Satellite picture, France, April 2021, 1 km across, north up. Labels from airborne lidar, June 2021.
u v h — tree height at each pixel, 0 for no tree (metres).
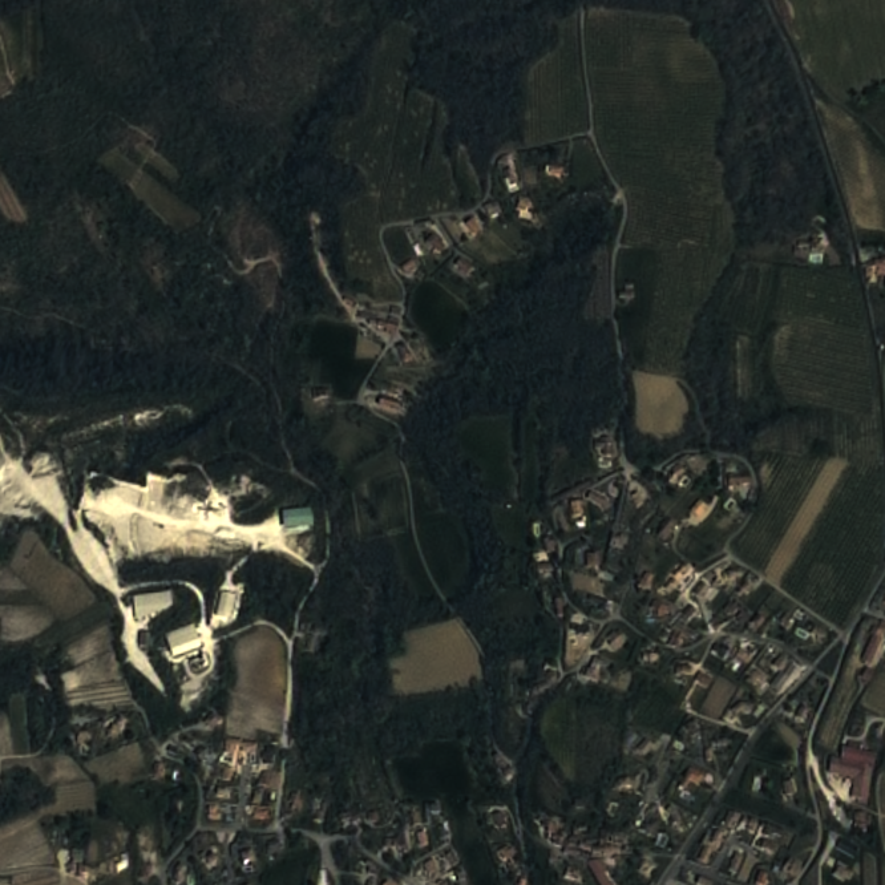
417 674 0
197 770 14
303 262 17
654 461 14
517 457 12
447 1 18
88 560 0
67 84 10
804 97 17
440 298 0
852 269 7
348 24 10
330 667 13
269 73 9
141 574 7
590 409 20
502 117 15
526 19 14
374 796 0
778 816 0
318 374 0
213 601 14
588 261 13
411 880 0
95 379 7
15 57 0
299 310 16
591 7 16
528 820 7
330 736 16
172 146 10
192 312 22
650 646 8
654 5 19
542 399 18
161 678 6
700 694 0
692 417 13
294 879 0
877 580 0
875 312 0
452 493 17
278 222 23
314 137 10
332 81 26
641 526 19
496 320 16
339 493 6
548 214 11
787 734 0
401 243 0
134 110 7
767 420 17
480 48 18
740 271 11
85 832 10
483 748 13
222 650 8
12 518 0
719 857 0
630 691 6
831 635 6
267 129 14
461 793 0
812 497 0
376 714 32
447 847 0
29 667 14
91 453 7
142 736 5
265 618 9
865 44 0
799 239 14
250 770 0
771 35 15
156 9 9
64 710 8
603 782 11
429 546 0
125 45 9
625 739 7
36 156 12
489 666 19
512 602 0
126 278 16
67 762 0
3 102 9
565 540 8
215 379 13
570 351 15
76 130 7
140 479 13
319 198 18
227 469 11
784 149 15
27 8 17
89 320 15
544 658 5
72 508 6
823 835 0
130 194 14
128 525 0
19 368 24
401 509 0
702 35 16
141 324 28
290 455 13
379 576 26
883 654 0
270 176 8
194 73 13
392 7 17
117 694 0
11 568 0
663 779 0
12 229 11
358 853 18
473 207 8
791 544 0
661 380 0
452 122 16
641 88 0
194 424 6
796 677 0
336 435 0
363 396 0
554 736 0
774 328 8
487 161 13
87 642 0
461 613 16
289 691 0
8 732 0
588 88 0
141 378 16
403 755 11
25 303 15
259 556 13
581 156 0
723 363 16
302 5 7
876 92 10
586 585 0
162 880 0
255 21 7
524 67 15
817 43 0
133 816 0
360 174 16
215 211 14
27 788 15
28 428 9
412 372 0
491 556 23
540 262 7
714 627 0
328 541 11
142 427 15
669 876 0
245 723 0
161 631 17
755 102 13
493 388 15
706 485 6
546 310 13
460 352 15
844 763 0
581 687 7
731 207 15
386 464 0
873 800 0
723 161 17
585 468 0
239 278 18
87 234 13
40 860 0
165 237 10
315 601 20
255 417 25
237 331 23
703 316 15
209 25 8
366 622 28
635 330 0
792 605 0
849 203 0
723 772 7
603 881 0
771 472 0
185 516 0
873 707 0
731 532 0
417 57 17
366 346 0
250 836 12
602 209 16
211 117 18
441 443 14
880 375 0
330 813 9
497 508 13
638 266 0
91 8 7
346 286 6
